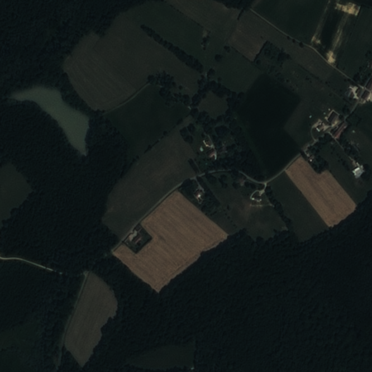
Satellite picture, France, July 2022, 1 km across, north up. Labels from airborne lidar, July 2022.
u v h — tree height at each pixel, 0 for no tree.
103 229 11
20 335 0
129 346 14
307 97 0
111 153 15
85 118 0
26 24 21
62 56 27
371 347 24
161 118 0
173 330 14
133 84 0
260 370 17
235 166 20
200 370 21
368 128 0
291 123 0
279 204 17
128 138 0
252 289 20
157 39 16
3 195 0
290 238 16
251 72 0
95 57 0
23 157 9
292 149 0
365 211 21
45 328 9
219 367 10
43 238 9
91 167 13
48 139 9
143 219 0
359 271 25
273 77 0
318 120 0
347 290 25
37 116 13
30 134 13
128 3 17
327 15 0
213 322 12
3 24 21
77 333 0
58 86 16
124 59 0
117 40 0
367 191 0
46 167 8
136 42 0
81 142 0
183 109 0
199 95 13
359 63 0
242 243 23
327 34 0
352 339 18
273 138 0
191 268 14
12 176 0
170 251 0
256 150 0
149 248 0
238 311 19
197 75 0
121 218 0
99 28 16
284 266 20
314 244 17
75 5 26
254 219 0
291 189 0
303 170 0
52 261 7
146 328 17
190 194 14
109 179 14
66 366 16
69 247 13
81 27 25
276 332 15
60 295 28
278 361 22
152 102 0
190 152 0
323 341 27
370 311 27
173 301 16
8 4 21
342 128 0
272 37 0
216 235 0
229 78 0
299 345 21
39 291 12
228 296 21
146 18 0
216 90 18
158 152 0
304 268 18
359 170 0
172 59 0
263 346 17
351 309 26
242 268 20
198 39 0
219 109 0
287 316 21
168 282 0
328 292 19
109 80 0
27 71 23
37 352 9
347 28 0
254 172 20
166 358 0
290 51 0
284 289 14
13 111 11
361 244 27
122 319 7
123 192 0
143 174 0
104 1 16
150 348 18
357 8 0
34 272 9
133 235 0
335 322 25
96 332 0
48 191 11
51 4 24
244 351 16
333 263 28
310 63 0
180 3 0
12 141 14
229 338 17
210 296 15
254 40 0
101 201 14
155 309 15
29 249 16
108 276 18
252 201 0
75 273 23
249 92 0
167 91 17
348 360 23
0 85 23
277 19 0
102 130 21
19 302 10
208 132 17
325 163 18
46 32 26
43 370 19
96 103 0
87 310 0
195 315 19
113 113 0
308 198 0
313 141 0
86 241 16
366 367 20
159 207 0
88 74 0
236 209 0
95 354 14
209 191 24
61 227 12
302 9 0
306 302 21
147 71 0
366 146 0
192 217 0
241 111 0
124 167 13
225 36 0
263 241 18
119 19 0
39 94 0
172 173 0
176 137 0
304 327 22
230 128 10
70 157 11
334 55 0
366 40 0
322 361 21
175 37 0
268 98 0
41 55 30
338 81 0
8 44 16
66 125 0
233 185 9
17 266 8
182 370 15
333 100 0
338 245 24
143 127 0
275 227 0
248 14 0
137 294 17
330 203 0
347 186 0
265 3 0
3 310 10
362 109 0
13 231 17
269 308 15
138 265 0
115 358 17
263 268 18
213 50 0
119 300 16
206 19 0
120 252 0
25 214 16
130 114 0
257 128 0
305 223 0
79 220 12
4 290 9
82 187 11
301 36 0
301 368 22
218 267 21
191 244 0
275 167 0
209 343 15
